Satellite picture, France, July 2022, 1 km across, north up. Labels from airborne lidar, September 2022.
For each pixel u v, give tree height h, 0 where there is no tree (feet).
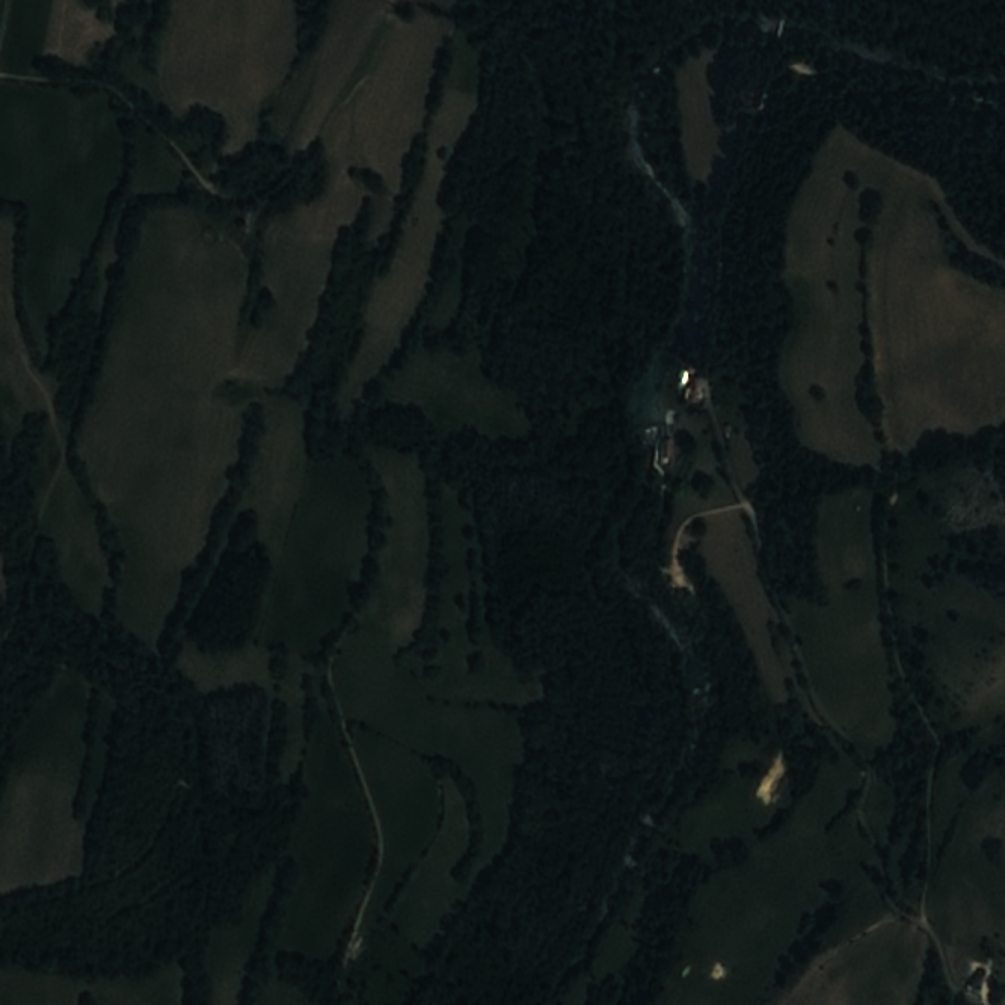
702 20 62
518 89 83
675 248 31
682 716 63
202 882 52
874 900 0
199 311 0
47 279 0
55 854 0
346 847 0
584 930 81
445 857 0
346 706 0
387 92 0
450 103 0
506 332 94
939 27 66
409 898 0
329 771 0
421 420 99
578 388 73
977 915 0
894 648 50
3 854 0
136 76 0
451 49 34
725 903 0
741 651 89
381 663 0
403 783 0
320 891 0
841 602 0
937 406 0
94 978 62
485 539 78
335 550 0
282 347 0
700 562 26
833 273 0
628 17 107
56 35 0
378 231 0
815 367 0
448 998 78
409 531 0
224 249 0
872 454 0
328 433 54
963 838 0
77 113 0
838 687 0
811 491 91
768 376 66
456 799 0
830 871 0
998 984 63
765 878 0
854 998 0
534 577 37
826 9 84
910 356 0
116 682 76
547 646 75
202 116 78
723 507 0
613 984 39
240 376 0
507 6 104
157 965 48
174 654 67
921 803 27
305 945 0
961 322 0
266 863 56
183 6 0
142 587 0
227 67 0
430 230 0
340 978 39
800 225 0
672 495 29
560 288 67
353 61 0
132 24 33
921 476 26
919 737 49
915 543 0
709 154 0
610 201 86
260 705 79
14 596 36
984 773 58
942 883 0
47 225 0
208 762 82
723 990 0
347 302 18
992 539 53
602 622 72
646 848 67
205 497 0
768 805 0
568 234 74
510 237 93
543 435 75
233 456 0
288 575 0
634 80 74
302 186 54
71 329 38
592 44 114
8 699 26
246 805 63
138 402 0
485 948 48
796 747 30
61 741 0
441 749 0
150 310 0
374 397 70
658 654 95
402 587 0
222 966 0
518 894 82
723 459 48
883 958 0
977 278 33
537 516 90
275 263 0
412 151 19
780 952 0
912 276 0
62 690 0
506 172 95
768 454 90
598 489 86
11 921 39
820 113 54
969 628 0
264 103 0
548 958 69
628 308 70
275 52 0
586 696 56
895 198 0
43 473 0
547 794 86
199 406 0
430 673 53
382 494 75
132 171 48
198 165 38
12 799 0
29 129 0
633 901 62
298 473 0
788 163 67
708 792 25
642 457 106
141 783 33
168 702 30
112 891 26
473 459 73
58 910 22
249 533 77
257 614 82
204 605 26
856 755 46
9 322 0
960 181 67
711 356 41
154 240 0
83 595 0
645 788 90
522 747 0
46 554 56
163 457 0
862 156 0
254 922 0
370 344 0
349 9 0
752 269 86
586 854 86
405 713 0
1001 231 104
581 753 97
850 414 0
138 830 33
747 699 71
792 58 35
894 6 53
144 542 0
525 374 90
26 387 0
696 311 66
